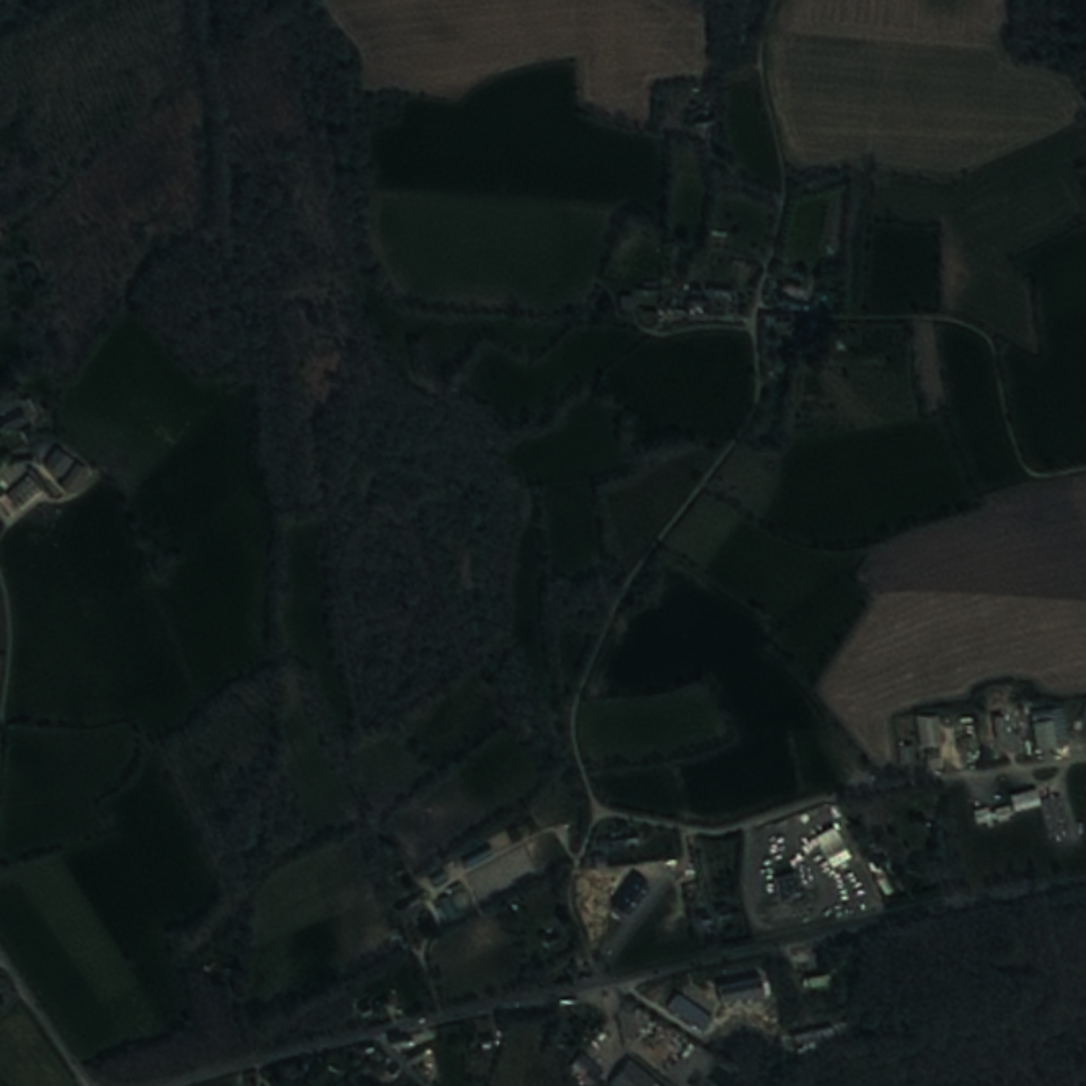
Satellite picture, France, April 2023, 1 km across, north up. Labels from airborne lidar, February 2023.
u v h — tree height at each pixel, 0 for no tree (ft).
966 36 0
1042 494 0
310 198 46
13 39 45
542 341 0
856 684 0
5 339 0
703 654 0
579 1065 0
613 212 0
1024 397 0
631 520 0
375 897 42
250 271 38
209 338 56
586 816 25
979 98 0
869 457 0
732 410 0
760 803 0
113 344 0
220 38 68
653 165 0
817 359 53
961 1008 57
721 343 0
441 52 0
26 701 0
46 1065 0
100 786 0
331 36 52
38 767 0
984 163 0
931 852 36
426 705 54
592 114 40
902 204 0
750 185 42
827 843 0
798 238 0
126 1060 46
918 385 25
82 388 0
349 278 43
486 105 0
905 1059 37
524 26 0
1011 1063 54
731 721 26
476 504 26
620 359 0
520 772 0
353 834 27
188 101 45
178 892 0
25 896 0
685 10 0
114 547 0
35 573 0
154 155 47
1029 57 82
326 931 0
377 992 0
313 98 56
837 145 0
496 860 0
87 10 48
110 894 0
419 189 0
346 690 28
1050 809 0
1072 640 0
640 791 0
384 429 34
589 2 0
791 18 0
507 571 47
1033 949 50
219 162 88
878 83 0
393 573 31
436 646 37
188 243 54
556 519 0
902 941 46
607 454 0
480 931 0
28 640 0
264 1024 66
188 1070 44
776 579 0
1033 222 0
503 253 0
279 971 0
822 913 0
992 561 0
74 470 0
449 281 0
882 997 45
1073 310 0
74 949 0
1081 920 52
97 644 0
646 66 0
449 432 42
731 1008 0
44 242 44
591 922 0
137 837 0
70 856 0
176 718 0
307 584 0
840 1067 40
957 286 0
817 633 0
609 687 0
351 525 42
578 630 26
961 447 33
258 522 0
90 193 44
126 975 0
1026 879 34
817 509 0
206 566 0
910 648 0
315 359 26
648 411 0
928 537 0
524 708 46
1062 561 0
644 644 0
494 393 0
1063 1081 49
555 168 0
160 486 0
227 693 24
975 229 0
